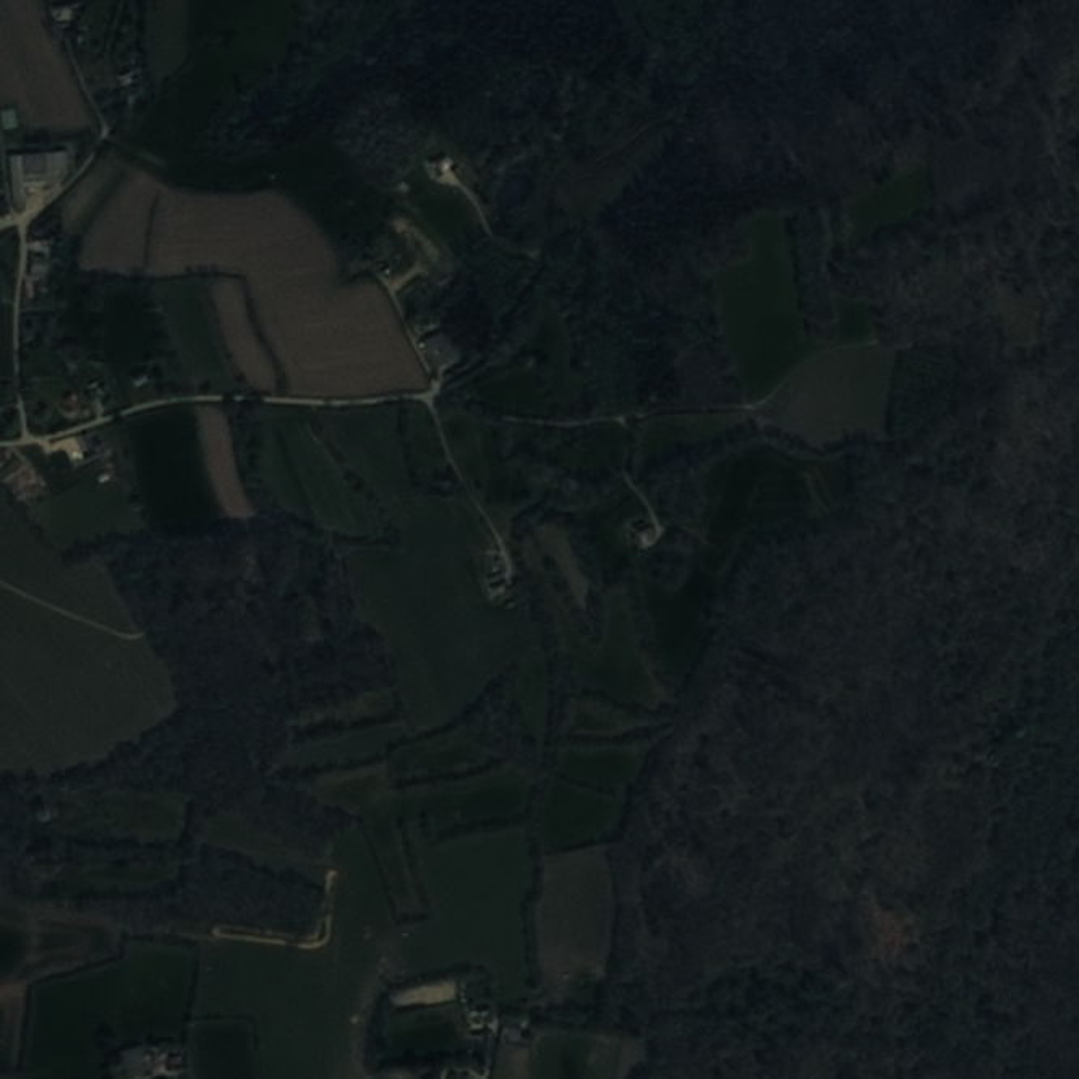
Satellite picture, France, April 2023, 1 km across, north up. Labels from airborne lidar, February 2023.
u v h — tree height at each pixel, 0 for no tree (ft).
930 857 64
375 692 38
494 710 38
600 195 0
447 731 31
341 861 0
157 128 0
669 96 80
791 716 55
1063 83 51
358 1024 0
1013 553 61
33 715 0
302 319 0
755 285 0
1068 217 66
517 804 0
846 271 42
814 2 82
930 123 48
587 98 72
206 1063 0
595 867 0
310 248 0
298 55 44
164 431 0
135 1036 0
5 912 0
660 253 57
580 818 0
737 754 43
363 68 63
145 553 57
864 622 63
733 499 0
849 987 72
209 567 77
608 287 39
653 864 29
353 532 0
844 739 64
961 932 58
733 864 53
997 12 65
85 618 0
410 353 0
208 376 0
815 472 0
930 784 45
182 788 47
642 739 41
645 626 39
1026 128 64
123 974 0
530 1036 38
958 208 42
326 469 0
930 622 70
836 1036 60
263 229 0
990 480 60
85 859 36
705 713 37
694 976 69
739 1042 67
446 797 0
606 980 30
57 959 0
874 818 68
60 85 0
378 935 0
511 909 0
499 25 120
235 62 0
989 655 68
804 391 0
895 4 61
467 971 30
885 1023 70
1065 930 67
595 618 46
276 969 0
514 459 45
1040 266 70
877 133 54
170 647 46
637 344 61
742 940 78
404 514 0
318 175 0
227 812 61
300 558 59
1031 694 52
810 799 63
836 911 63
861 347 0
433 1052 0
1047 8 58
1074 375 56
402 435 32
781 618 50
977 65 57
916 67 53
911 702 58
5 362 0
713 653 38
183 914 54
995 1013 22
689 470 51
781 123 54
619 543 0
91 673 0
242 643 57
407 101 64
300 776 40
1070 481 55
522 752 23
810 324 33
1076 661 43
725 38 58
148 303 30
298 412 0
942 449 34
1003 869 44
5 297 0
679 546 53
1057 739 28
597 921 0
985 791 45
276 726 68
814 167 46
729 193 54
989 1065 63
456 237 0
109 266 0
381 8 52
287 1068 0
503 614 0
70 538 0
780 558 46
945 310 45
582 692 23
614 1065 0
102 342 0
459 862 0
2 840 56
